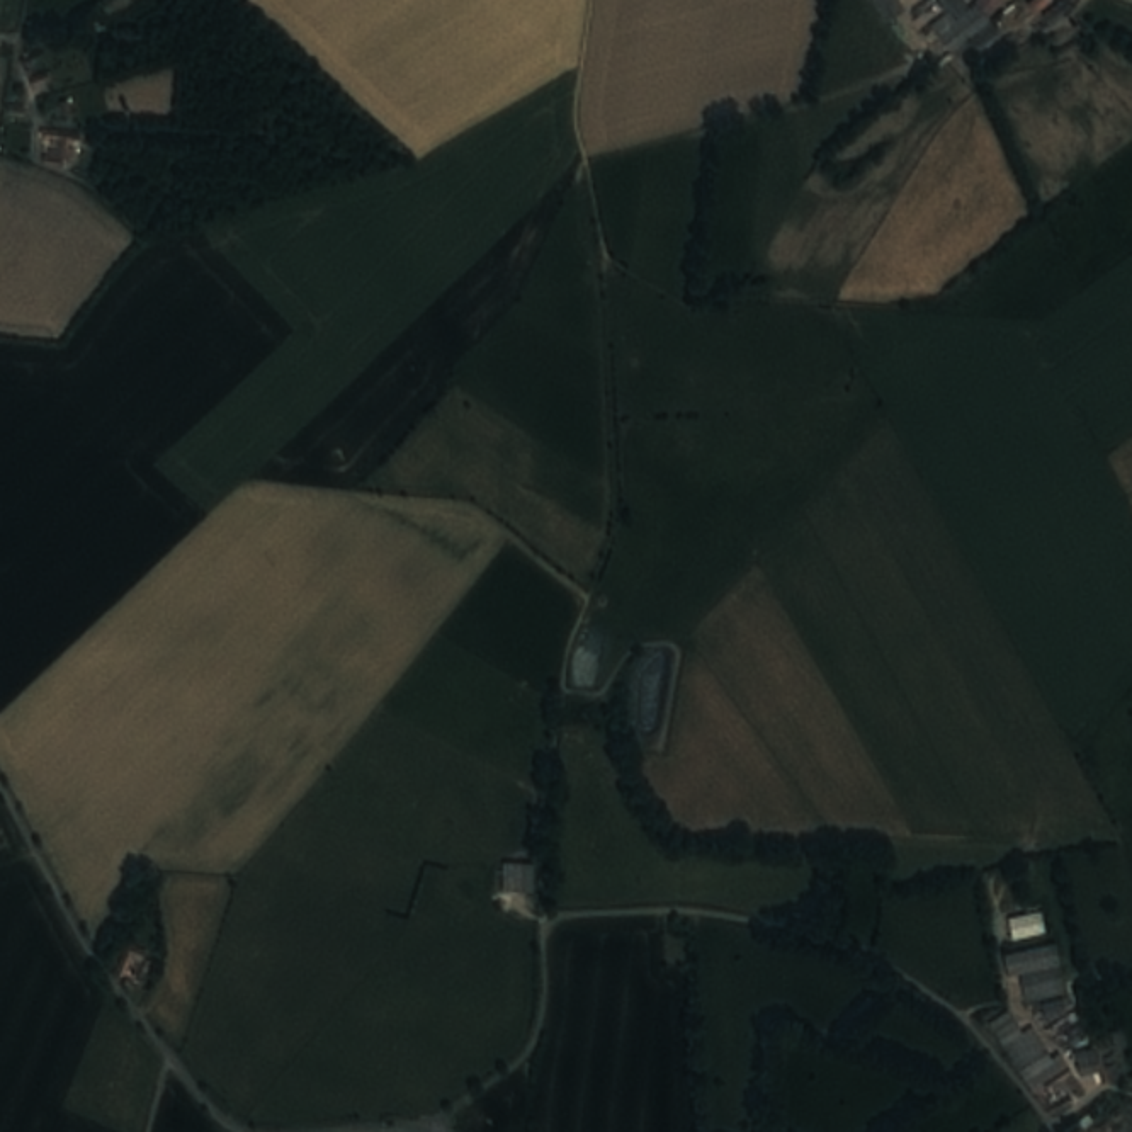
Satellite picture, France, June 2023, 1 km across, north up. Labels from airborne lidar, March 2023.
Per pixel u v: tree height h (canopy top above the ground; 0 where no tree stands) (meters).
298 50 10
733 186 0
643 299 0
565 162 0
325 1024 0
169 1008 0
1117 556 0
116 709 0
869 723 0
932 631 0
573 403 0
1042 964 0
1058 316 0
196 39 14
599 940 0
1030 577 0
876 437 0
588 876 0
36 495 0
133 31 12
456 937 0
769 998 0
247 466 0
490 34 0
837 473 0
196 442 0
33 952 0
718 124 28
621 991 0
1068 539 0
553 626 0
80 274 0
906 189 0
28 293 0
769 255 0
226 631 0
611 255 8
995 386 0
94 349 0
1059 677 0
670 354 0
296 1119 0
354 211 0
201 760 0
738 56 0
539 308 0
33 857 0
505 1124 0
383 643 0
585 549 0
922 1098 16
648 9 0
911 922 0
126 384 0
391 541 0
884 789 0
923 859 0
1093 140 0
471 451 0
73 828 0
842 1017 0
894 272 0
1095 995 13
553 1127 0
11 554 0
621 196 0
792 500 0
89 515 0
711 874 0
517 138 0
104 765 0
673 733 0
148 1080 0
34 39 14
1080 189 0
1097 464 0
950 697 0
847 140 13
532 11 0
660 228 0
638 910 0
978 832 0
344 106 9
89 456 0
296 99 11
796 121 0
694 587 0
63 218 0
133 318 0
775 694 0
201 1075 0
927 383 0
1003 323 0
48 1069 0
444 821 0
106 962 14
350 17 0
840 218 0
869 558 0
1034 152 0
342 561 0
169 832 0
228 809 0
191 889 0
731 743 0
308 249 0
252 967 0
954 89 0
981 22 0
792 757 0
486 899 0
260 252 0
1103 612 0
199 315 0
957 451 0
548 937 0
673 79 0
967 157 0
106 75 12
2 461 0
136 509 0
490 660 0
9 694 0
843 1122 0
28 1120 0
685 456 0
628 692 7
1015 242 9
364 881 0
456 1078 0
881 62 0
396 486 0
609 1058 0
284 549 0
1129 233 0
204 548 0
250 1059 0
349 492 0
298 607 0
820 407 0
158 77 0
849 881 31
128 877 17
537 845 22
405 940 0
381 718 0
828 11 22
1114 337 0
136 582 0
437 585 0
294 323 0
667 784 0
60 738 0
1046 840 0
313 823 0
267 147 10
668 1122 0
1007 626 0
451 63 0
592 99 0
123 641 0
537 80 0
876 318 0
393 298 0
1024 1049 0
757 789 0
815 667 0
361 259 0
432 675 0
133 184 17
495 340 0
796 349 0
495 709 0
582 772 0
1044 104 0
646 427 0
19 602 0
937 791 0
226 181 15
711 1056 17
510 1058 0
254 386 0
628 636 0
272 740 0
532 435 0
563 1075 0
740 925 0
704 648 0
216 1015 0
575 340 0
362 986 0
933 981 0
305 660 0
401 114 0
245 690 0
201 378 0
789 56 0
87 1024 0
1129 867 0
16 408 0
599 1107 0
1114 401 0
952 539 0
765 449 0
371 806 0
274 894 0
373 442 0
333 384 0
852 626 0
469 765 0
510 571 0
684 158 0
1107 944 0
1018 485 0
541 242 0
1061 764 0
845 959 25
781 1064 23
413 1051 0
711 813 0
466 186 0
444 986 0
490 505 0
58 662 0
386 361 0
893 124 0
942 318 0
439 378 0
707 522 0
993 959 7
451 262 0
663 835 22
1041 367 0
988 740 0
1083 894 0
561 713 18
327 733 0
